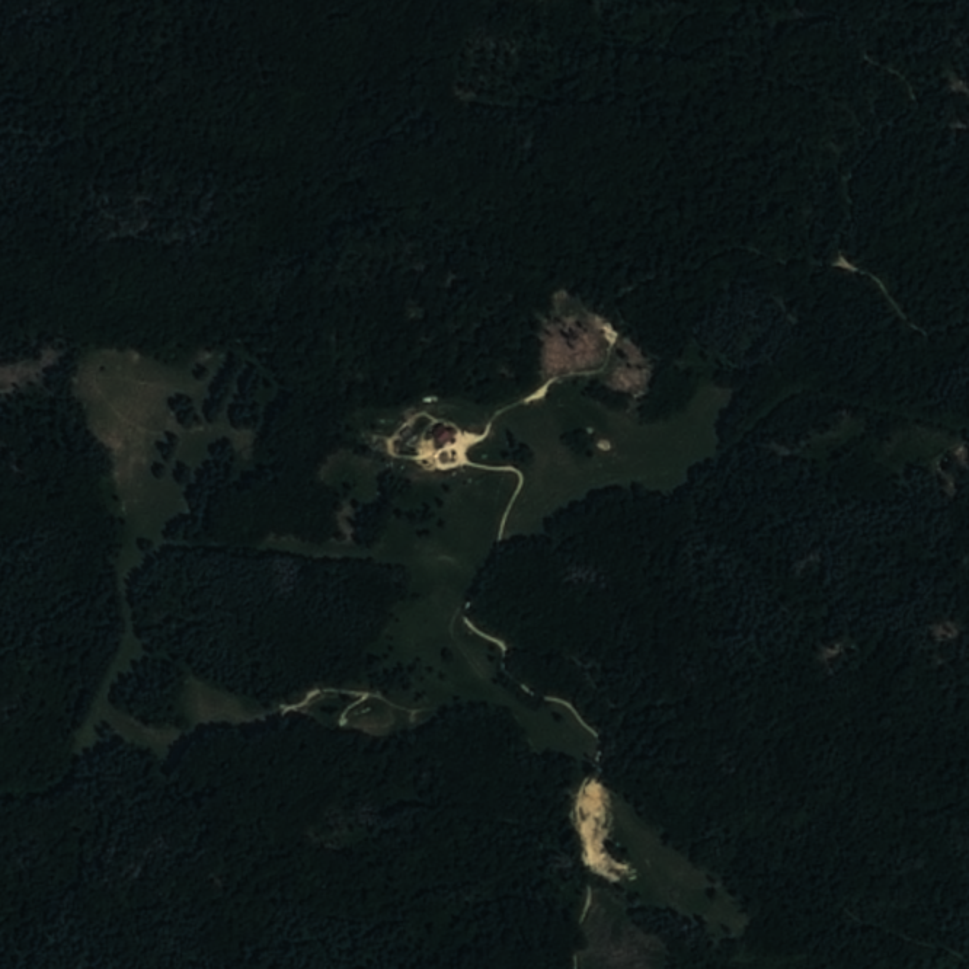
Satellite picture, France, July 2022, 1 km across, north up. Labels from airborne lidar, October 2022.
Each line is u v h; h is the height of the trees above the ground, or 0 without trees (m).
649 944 0
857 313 12
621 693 14
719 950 7
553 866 24
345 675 17
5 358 13
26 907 19
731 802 14
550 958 21
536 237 14
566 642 17
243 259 25
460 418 0
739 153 20
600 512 21
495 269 19
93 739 0
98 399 0
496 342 16
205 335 22
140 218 33
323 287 19
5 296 15
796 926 18
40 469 24
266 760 27
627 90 25
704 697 23
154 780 19
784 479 9
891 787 9
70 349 25
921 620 22
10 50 24
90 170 23
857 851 14
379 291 14
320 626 14
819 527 15
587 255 14
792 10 16
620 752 16
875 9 21
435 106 24
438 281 19
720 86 18
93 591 18
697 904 0
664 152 17
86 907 24
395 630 0
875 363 11
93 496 27
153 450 0
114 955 17
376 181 27
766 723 12
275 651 16
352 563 18
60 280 13
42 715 24
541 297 22
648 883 0
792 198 7
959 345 7
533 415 0
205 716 0
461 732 19
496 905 7
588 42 11
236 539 14
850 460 9
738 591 13
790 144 10
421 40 26
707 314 23
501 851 16
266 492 23
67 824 23
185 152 15
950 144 25
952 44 18
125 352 22
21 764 20
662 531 20
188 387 0
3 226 24
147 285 12
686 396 18
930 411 11
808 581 9
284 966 22
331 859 24
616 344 0
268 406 0
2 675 27
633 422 0
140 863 20
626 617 19
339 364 13
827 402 9
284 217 10
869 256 17
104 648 14
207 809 24
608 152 20
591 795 0
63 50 22
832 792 10
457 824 20
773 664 10
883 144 13
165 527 0
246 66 19
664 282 13
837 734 10
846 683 10
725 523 10
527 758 22
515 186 21
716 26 12
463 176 18
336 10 25
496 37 17
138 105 15
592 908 0
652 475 0
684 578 23
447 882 15
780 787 13
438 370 18
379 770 20
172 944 0
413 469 0
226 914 23
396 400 11
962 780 16
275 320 16
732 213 16
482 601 18
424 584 0
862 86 14
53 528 23
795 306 19
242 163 11
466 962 18
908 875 9
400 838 24
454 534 0
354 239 18
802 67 19
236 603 19
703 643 24
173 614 7
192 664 23
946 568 11
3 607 24
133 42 7
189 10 19
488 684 0
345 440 19
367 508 17
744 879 16
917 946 8
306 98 22
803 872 14
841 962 16
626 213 16
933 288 11
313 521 20
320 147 22
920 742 10
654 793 11
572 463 0
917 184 18
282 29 29
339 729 9
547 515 0
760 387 18
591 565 25
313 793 29
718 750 16
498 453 0
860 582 11
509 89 19
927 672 8
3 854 16
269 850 15
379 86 22
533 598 16
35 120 13
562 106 25
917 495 18
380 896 9
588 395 14
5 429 30
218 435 0
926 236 19
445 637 0
